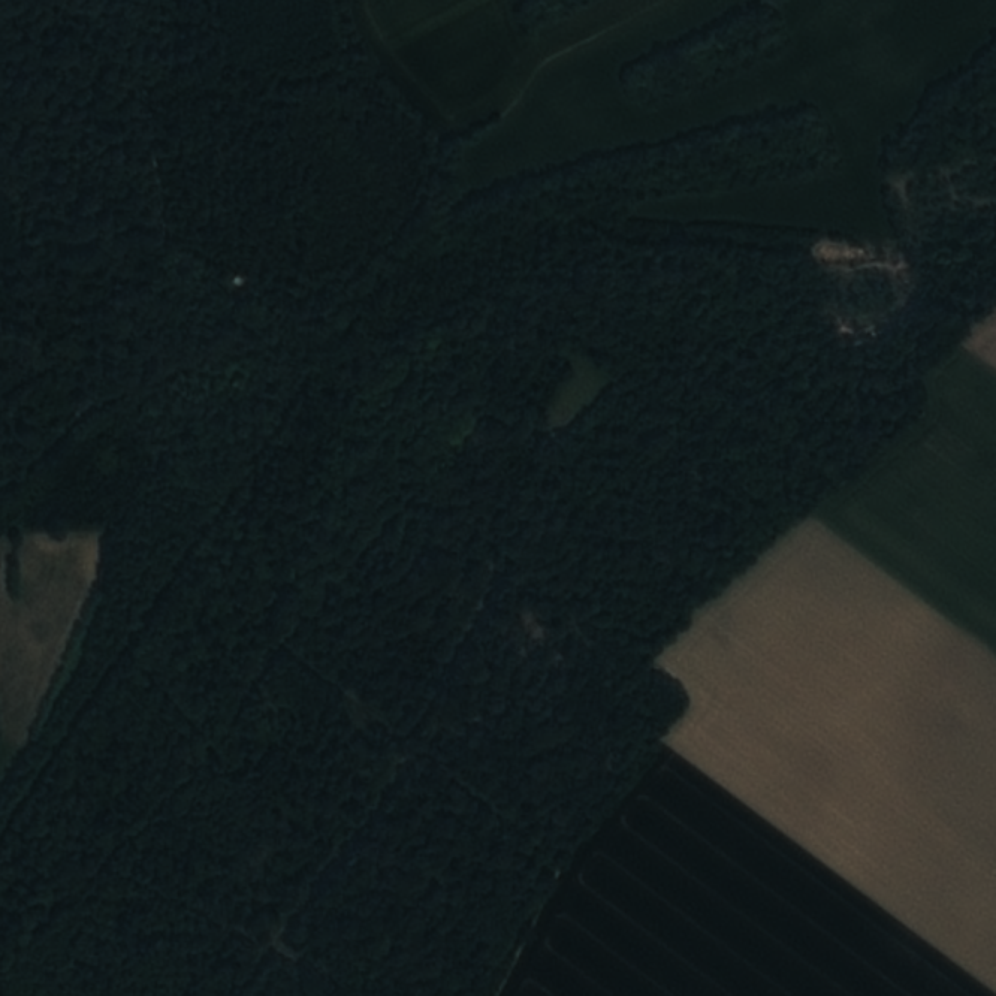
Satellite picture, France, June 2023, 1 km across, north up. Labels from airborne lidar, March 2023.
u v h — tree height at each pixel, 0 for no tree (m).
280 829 21
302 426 29
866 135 0
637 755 15
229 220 20
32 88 30
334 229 19
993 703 0
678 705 17
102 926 24
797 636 0
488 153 0
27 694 0
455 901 23
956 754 0
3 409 15
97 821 25
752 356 17
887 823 0
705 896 0
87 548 0
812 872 0
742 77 0
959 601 0
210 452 18
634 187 16
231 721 17
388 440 19
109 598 15
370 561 15
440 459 17
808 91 0
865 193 0
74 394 21
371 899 22
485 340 15
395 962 26
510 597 27
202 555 29
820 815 0
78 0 19
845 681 0
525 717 27
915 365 20
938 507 0
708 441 19
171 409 25
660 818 0
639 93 18
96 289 15
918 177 22
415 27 0
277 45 19
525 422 26
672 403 11
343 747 27
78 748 8
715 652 0
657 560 21
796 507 23
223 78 13
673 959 0
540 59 0
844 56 0
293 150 20
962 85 18
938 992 0
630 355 9
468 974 16
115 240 29
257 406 30
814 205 0
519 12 14
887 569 0
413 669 14
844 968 0
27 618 0
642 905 0
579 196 22
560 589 17
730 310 14
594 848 0
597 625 21
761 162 21
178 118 21
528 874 15
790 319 17
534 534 22
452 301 18
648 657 16
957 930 0
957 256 11
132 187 25
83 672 13
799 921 0
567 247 12
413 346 17
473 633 8
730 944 0
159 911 26
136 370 21
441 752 17
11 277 25
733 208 0
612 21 0
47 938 19
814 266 23
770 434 26
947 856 0
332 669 8
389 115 17
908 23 0
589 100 0
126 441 7
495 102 0
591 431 9
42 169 9
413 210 22
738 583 0
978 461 0
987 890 0
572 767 22
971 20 0
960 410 0
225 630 33
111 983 21
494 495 16
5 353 11
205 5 26
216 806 17
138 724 28
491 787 21
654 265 28
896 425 15
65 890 22
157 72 16
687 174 22
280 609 29
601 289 25
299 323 21
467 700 28
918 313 24
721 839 0
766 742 0
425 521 17
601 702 21
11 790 17
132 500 13
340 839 8
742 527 25
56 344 10
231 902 19
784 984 0
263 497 30
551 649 15
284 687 18
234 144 13
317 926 24
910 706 0
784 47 13
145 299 22
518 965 0
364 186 21
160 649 27
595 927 0
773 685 0
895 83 0
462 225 19
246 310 22
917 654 0
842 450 19
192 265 18
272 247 16
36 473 14
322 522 26
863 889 0
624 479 16
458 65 0
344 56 10
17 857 25
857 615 0
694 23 0
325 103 19
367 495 22
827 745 0
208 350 22
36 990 17
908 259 26
